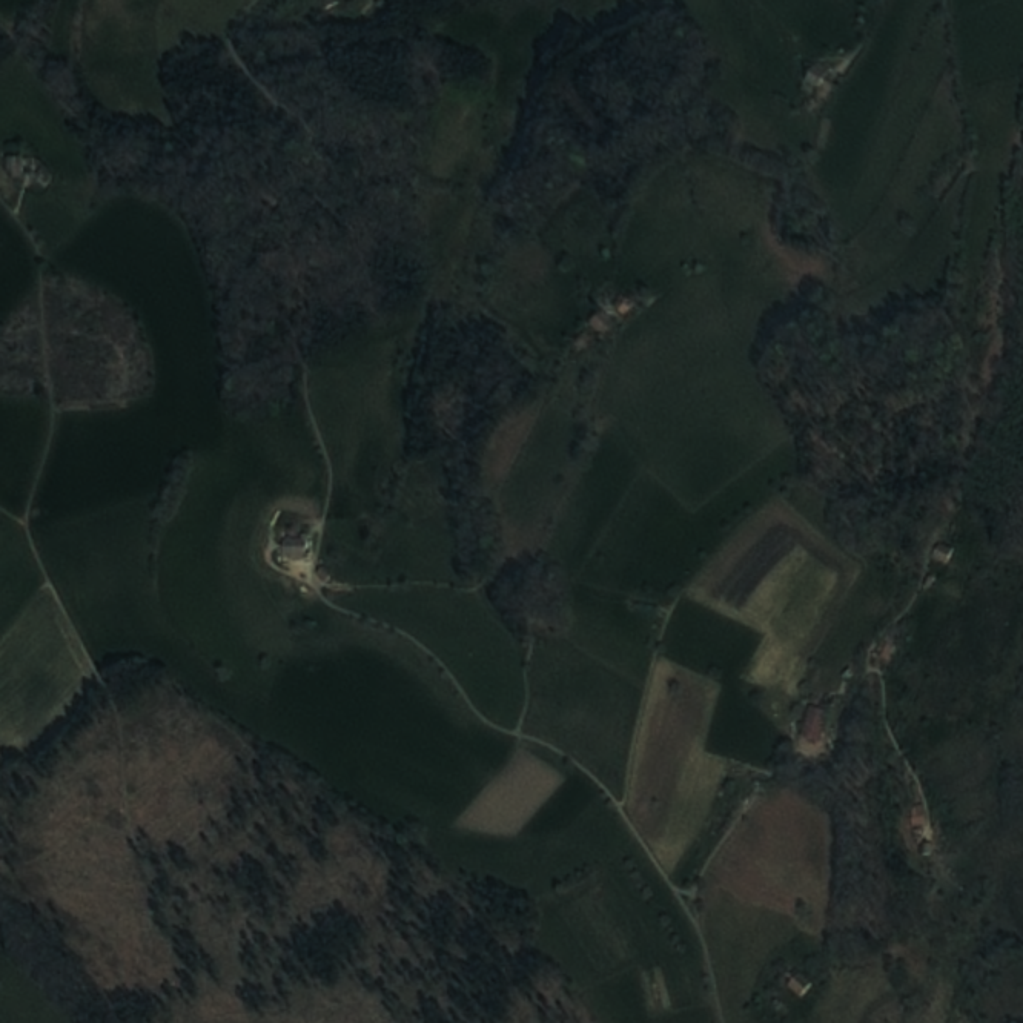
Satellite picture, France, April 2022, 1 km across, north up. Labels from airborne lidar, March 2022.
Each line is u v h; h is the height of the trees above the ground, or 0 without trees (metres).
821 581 0
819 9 0
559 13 0
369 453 0
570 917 0
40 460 0
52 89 24
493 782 0
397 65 34
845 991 0
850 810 34
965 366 28
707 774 0
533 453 0
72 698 0
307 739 0
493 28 0
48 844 0
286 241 34
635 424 0
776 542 0
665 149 24
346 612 0
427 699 0
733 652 0
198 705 16
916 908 24
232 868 0
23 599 0
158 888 0
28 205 0
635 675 0
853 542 28
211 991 0
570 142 34
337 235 33
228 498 0
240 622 0
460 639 0
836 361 30
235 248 30
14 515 0
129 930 0
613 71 24
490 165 0
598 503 0
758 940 0
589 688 0
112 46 0
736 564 0
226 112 21
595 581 0
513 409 13
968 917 0
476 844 0
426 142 25
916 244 0
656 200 0
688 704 0
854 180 0
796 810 0
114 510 0
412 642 0
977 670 0
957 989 0
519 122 0
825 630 0
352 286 34
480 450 27
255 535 0
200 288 0
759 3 0
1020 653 0
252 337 27
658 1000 0
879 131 0
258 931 0
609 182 13
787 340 32
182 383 0
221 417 0
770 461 0
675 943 7
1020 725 0
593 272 0
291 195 33
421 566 0
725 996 0
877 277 0
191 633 0
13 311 0
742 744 0
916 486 14
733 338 0
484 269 14
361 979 28
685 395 0
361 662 0
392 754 0
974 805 0
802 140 0
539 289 0
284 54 36
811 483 18
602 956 0
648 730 0
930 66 0
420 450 14
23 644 0
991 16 0
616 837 0
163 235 0
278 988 0
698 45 29
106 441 0
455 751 0
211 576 0
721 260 0
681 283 0
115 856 0
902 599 9
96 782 0
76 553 0
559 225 0
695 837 0
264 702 0
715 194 0
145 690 22
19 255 0
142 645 0
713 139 22
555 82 31
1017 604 0
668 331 0
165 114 0
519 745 0
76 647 0
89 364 0
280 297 27
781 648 0
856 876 30
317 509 0
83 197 0
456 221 0
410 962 0
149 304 0
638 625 0
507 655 0
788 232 14
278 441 0
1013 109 0
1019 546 31
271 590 0
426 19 27
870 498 26
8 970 0
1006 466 16
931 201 11
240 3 0
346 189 36
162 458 0
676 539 0
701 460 0
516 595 19
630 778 0
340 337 30
